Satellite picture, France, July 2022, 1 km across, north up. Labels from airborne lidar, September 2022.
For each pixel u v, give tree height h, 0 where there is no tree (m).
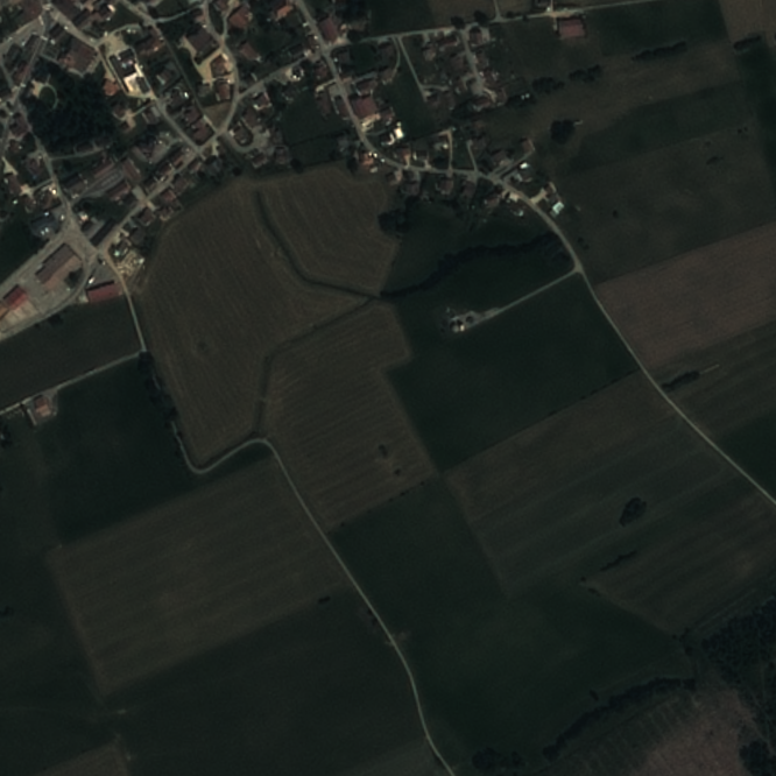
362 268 0
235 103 0
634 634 0
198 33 0
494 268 0
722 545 0
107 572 0
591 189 0
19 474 0
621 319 0
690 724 0
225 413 0
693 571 0
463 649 0
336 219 0
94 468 0
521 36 0
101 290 0
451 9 0
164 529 0
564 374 0
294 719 0
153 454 0
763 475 0
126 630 0
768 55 0
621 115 0
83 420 0
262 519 0
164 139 0
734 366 0
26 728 0
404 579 0
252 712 0
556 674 0
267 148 0
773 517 0
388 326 0
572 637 0
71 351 0
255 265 0
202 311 0
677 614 0
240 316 0
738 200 0
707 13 0
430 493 0
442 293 0
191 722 0
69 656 0
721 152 0
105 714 0
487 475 0
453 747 0
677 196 0
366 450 0
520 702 0
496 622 0
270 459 0
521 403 0
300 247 0
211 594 0
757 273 0
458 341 0
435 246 0
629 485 0
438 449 0
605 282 0
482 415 0
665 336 0
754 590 0
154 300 0
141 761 0
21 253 0
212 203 0
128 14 0
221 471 0
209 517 0
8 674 0
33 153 0
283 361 0
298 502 0
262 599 0
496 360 0
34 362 0
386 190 0
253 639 0
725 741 0
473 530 0
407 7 0
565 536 0
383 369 0
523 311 0
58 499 0
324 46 0
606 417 0
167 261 0
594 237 0
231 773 0
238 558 0
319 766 0
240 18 0
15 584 0
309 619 0
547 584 0
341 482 0
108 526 0
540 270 0
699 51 0
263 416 0
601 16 0
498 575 0
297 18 0
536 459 0
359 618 0
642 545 0
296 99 0
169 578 0
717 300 0
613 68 0
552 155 0
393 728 0
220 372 0
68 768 0
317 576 0
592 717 12
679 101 0
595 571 0
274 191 0
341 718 0
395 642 0
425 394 0
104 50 0
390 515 0
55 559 0
